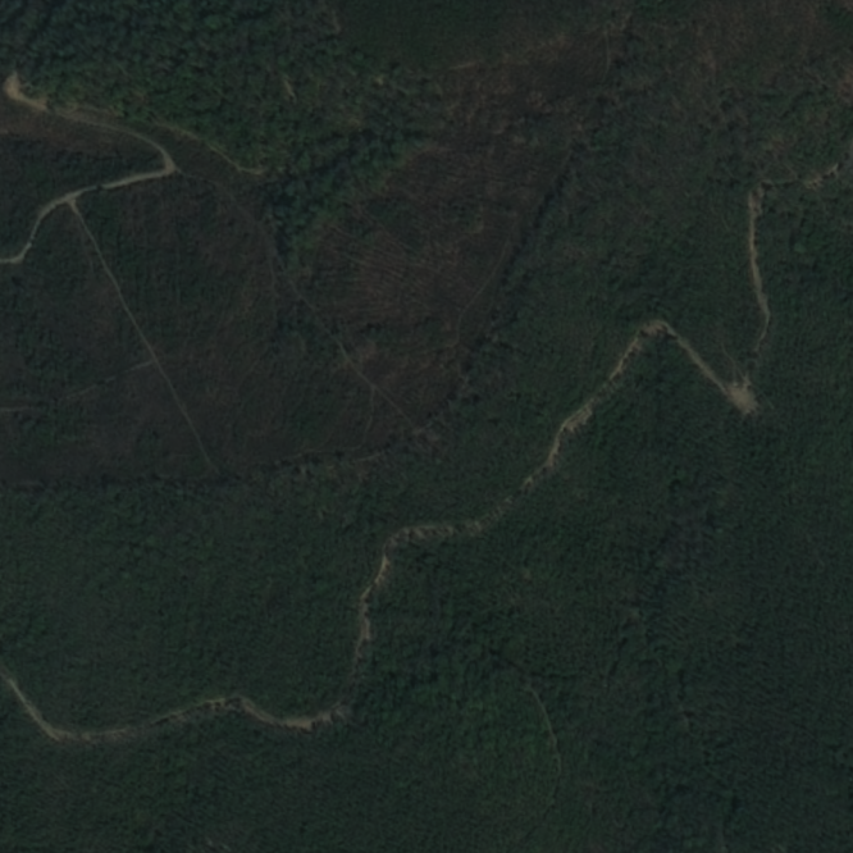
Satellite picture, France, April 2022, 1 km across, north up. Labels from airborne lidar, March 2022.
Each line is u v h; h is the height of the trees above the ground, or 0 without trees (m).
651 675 23
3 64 26
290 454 0
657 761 27
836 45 15
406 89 34
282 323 6
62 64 22
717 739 18
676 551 30
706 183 24
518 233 0
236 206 0
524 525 19
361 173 31
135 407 0
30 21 35
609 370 19
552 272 21
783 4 11
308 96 29
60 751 20
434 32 14
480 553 19
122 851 16
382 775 18
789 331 17
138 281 6
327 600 23
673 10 7
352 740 19
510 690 24
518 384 24
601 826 19
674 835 22
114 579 19
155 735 18
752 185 10
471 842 19
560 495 20
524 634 23
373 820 18
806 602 17
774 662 21
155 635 21
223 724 26
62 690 16
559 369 22
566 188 22
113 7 25
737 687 20
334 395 7
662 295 26
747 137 30
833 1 7
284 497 23
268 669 21
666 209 24
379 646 21
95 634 19
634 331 14
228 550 24
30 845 19
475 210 10
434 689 26
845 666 18
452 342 6
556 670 19
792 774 20
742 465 20
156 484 19
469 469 23
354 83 27
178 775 23
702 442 23
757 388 19
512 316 11
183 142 6
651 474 23
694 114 27
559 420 24
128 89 20
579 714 30
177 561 24
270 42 21
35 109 0
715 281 22
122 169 6
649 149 20
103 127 0
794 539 18
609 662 14
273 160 9
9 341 0
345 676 16
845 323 20
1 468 0
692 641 20
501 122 9
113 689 21
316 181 35
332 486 24
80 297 0
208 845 17
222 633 19
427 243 6
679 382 20
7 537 15
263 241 0
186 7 27
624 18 10
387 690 17
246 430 6
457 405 24
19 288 15
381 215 7
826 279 31
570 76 0
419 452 25
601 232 25
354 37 13
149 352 0
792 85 21
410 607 26
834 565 15
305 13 22
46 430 9
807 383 19
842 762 19
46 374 6
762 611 19
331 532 22
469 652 28
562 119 10
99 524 19
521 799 20
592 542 21
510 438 24
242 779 21
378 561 19
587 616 20
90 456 0
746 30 12
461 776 18
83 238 0
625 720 19
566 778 16
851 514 22
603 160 21
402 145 29
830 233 23
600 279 21
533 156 5
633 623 23
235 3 14
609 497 25
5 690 22
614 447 19
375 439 0
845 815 20
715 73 17
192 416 0
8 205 0
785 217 17
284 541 22
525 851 23
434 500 16
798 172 22
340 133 11
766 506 20
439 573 22
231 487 24
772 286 19
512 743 24
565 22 11
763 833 18
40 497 19
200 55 23
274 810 18
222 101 23
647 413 28
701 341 19
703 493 26
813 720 19
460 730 22
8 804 16
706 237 21
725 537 22
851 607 16
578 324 19
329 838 20
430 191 5
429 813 20
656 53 11
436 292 0
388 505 22
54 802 17
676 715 21
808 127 23
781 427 16
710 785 22
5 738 20
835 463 24
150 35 22
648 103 27
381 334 13
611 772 17
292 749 18
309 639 19
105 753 20
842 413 25
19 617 22
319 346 12
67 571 21
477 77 7
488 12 12
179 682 24
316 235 32
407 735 20
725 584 21
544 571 26
